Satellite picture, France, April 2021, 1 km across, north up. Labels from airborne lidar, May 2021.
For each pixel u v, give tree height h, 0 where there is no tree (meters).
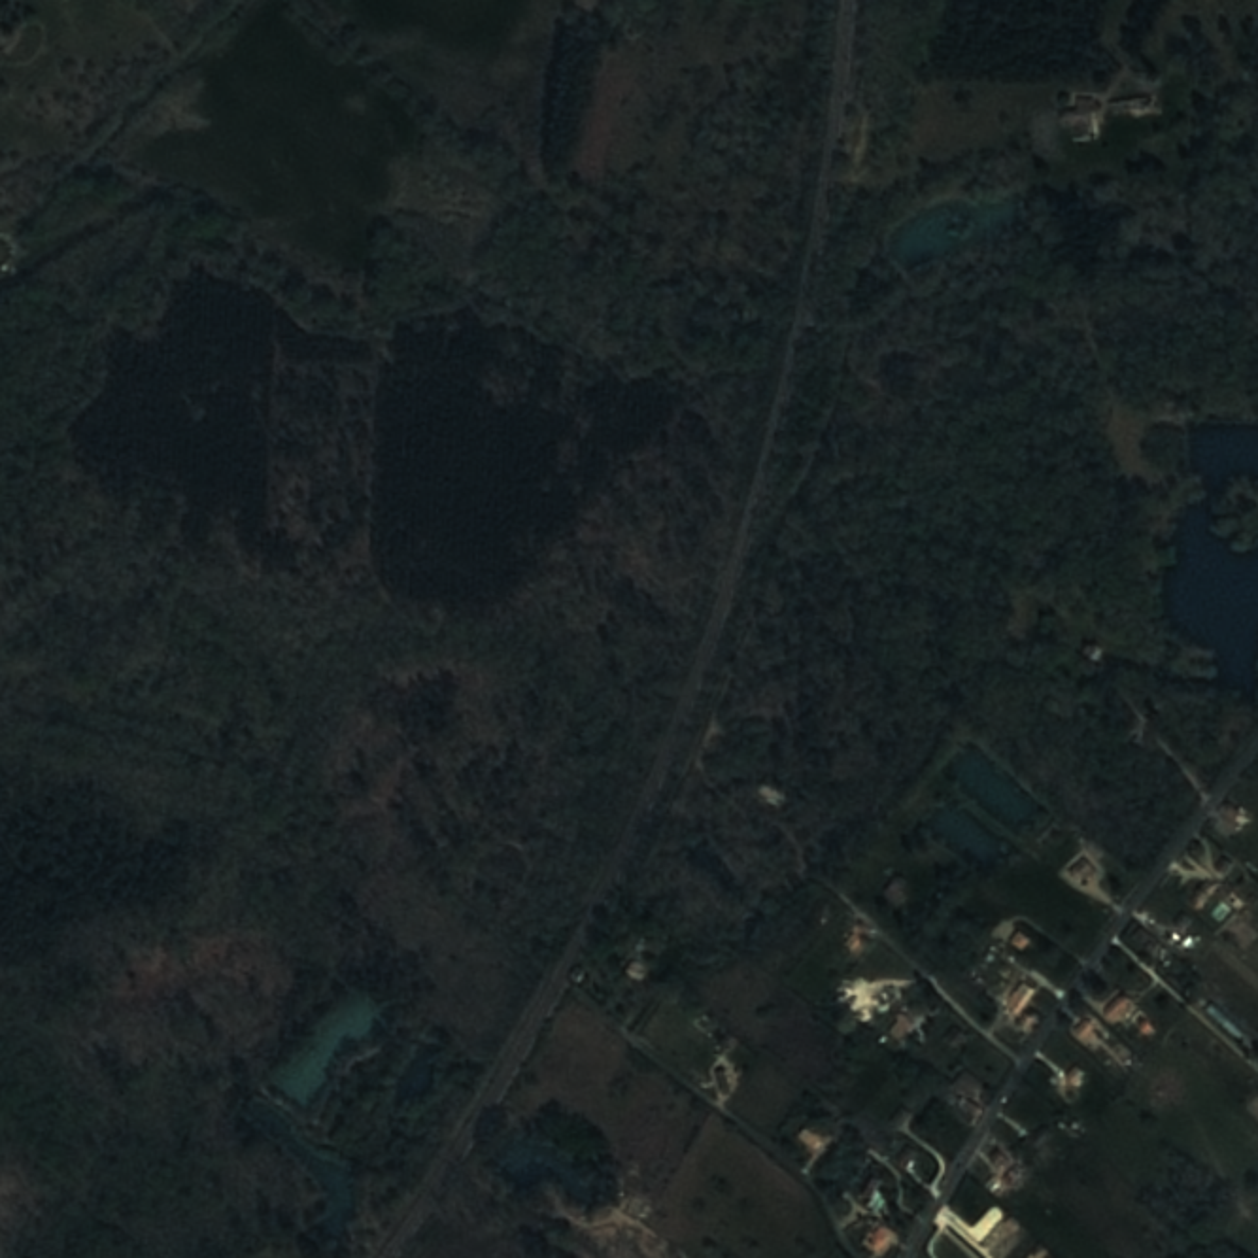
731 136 17
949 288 15
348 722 21
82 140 9
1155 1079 0
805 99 0
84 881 16
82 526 16
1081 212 17
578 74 27
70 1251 18
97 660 17
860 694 6
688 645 13
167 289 18
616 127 0
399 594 10
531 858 10
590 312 20
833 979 9
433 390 11
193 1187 10
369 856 11
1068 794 16
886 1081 0
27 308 22
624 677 20
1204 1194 20
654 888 14
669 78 0
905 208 16
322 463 7
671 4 7
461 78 0
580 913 9
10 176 9
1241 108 22
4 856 17
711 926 11
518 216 16
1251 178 28
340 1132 9
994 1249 0
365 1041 6
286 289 14
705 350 26
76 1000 17
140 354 8
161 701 13
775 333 18
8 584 5
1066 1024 11
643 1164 0
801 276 10
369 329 12
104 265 15
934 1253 0
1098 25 11
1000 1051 0
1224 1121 0
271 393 11
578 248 11
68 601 14
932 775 12
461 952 6
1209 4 0
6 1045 16
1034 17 15
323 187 0
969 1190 0
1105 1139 0
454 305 16
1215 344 21
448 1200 14
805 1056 0
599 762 21
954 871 8
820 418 14
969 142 0
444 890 12
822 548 20
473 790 16
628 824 9
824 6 12
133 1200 18
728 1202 0
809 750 21
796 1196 0
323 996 8
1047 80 11
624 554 9
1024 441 16
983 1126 0
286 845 11
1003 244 15
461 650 15
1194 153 12
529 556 11
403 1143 7
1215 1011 0
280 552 11
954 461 21
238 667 16
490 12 0
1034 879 0
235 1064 9
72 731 18
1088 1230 0
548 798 8
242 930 17
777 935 10
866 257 29
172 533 10
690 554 22
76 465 13
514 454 11
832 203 11
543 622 13
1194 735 15
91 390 19
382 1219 12
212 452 11
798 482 17
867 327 15
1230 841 0
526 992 12
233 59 0
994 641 18
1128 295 16
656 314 15
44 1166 12
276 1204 16
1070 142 0
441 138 11
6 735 18
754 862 10
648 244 16
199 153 0
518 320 14
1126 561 26
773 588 19
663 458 8
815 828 11
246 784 18
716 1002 0
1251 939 0
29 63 0
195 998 14
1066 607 18
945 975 20
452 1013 9
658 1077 0
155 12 16
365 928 10
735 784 6
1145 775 18
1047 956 14
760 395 14
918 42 21
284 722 13
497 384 13
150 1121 12
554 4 0
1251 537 18
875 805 12
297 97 0
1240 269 17
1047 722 13
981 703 12
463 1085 10
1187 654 17
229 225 14
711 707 7
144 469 10
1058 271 20
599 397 11
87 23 0
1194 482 18
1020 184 21
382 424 11
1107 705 16
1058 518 19
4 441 15
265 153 0
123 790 14
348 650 10
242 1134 17
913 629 21
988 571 19
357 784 14
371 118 0
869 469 9
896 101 16
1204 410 16
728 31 0
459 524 12
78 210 14
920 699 10
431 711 18
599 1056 0
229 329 12
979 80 7
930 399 14
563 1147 14
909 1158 0
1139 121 0
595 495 10
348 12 0
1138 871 15
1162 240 9
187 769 15
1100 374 18
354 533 16
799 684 11
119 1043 17
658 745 18
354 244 0
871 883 0
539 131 6
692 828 12
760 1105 0
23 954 16
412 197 0
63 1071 19
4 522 17
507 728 17
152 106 11
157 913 19
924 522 24
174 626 11
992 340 8
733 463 16
